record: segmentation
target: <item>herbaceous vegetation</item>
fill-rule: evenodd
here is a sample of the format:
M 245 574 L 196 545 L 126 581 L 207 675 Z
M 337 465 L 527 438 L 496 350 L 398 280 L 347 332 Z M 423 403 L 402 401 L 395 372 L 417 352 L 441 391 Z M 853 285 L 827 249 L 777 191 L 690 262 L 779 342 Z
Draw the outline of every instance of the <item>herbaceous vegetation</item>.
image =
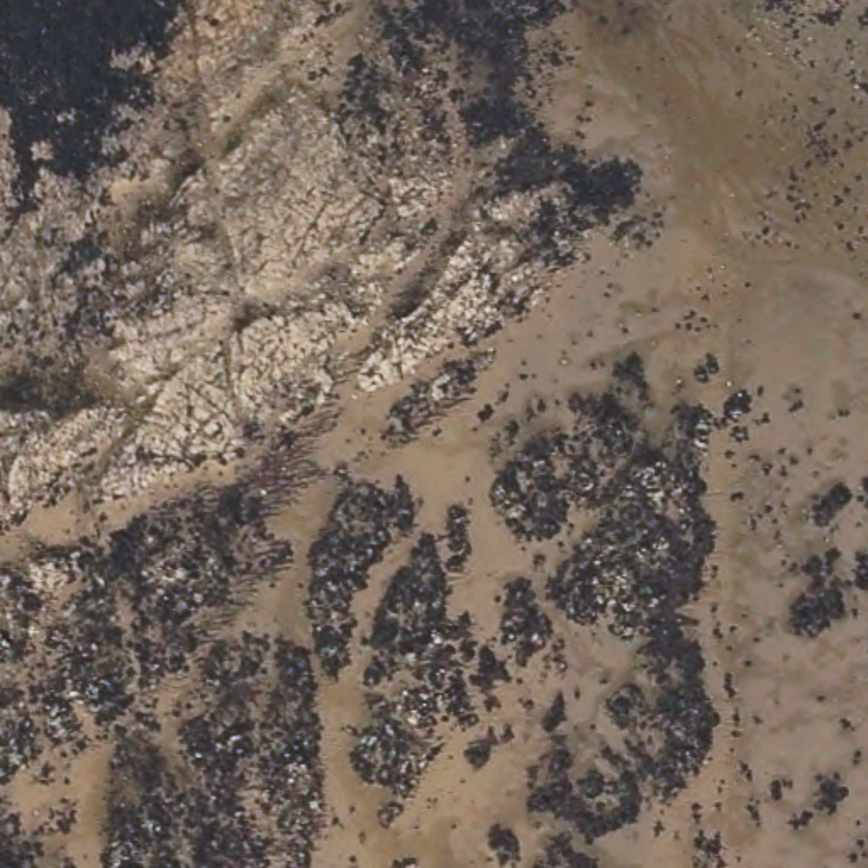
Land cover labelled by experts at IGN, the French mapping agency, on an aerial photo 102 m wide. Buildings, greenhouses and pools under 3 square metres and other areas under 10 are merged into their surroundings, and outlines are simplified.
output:
M 17 176 L 10 183 L 14 207 L 7 210 L 7 220 L 24 220 L 37 210 L 37 173 L 51 170 L 54 176 L 78 180 L 98 173 L 105 125 L 115 115 L 115 109 L 153 109 L 153 81 L 146 78 L 146 71 L 112 68 L 112 54 L 146 47 L 153 58 L 166 58 L 173 37 L 166 34 L 166 24 L 176 17 L 176 10 L 190 7 L 193 0 L 0 0 L 0 109 L 10 112 L 10 146 L 17 166 Z
M 634 200 L 641 166 L 580 163 L 580 153 L 573 146 L 549 146 L 546 125 L 536 122 L 536 115 L 529 115 L 526 105 L 519 105 L 512 95 L 515 78 L 526 71 L 529 61 L 526 31 L 559 17 L 559 0 L 424 0 L 417 10 L 400 10 L 400 17 L 414 24 L 417 37 L 441 31 L 454 37 L 458 47 L 468 47 L 471 54 L 488 61 L 488 81 L 478 92 L 478 102 L 461 112 L 461 119 L 471 146 L 509 139 L 512 153 L 495 170 L 498 193 L 512 197 L 529 193 L 536 186 L 566 183 L 570 197 L 583 207 L 590 203 L 600 220 L 607 220 L 614 207 L 627 207 Z

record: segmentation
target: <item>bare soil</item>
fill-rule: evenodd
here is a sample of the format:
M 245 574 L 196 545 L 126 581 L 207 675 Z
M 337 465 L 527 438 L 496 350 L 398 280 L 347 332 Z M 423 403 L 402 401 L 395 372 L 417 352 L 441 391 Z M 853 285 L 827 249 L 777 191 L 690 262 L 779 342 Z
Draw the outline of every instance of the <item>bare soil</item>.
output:
M 166 24 L 166 34 L 173 37 L 166 58 L 153 58 L 146 47 L 112 54 L 112 68 L 146 71 L 146 78 L 153 81 L 153 109 L 115 109 L 115 115 L 105 125 L 98 173 L 78 180 L 54 176 L 51 170 L 37 173 L 37 210 L 24 220 L 7 220 L 7 210 L 14 207 L 10 183 L 17 176 L 17 166 L 10 146 L 10 112 L 0 109 L 0 868 L 868 868 L 868 0 L 559 0 L 559 17 L 526 31 L 529 61 L 526 71 L 515 78 L 512 95 L 519 105 L 526 105 L 529 115 L 536 115 L 536 122 L 546 125 L 549 146 L 573 146 L 580 153 L 580 163 L 641 166 L 634 200 L 627 207 L 614 207 L 607 220 L 600 220 L 590 203 L 583 207 L 570 197 L 566 183 L 536 186 L 529 193 L 512 197 L 498 193 L 495 170 L 512 153 L 509 139 L 471 146 L 461 119 L 461 112 L 478 102 L 478 92 L 488 81 L 488 61 L 471 54 L 468 47 L 458 47 L 454 37 L 441 31 L 417 37 L 414 24 L 400 17 L 400 10 L 417 10 L 424 0 L 193 0 L 190 7 L 176 10 L 176 17 Z

